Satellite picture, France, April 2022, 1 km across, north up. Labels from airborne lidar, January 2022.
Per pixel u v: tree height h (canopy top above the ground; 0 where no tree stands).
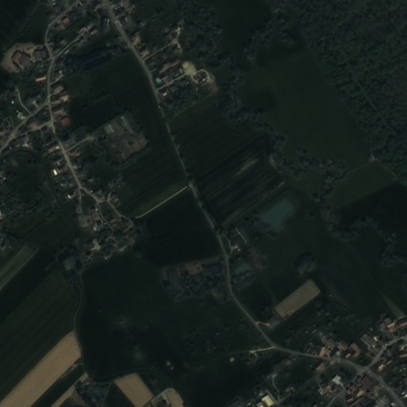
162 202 0
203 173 0
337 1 14
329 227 22
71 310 0
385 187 0
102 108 0
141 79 0
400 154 26
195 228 0
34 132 0
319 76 0
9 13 0
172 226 0
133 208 0
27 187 0
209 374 0
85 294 0
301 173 13
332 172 0
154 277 0
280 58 0
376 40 22
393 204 0
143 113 0
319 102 0
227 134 0
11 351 0
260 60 0
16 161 0
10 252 0
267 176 0
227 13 0
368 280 0
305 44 0
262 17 0
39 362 0
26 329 0
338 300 0
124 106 0
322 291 0
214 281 15
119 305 0
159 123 0
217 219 0
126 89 0
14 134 0
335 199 0
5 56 0
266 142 0
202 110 0
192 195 0
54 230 0
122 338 0
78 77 0
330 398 0
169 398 0
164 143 0
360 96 24
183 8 26
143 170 0
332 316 0
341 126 0
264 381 9
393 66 21
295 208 0
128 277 0
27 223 0
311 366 0
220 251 0
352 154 0
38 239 0
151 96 0
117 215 0
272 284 0
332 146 0
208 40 19
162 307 0
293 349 0
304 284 0
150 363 0
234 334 0
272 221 0
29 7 0
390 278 0
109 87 0
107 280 0
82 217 0
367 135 19
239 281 8
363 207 0
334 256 0
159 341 0
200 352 0
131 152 0
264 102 0
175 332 0
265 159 0
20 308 0
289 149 0
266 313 0
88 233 0
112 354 0
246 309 0
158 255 0
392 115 16
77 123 0
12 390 0
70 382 0
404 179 24
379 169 0
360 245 0
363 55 30
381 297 0
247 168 0
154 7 0
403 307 0
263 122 0
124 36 0
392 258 16
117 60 0
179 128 0
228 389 0
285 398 0
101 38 0
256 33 19
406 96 25
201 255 0
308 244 0
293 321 0
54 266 0
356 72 24
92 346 0
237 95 12
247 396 0
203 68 0
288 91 0
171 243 0
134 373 0
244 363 0
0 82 0
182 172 0
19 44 0
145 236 0
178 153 0
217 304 0
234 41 0
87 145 0
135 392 0
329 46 26
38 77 0
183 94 16
